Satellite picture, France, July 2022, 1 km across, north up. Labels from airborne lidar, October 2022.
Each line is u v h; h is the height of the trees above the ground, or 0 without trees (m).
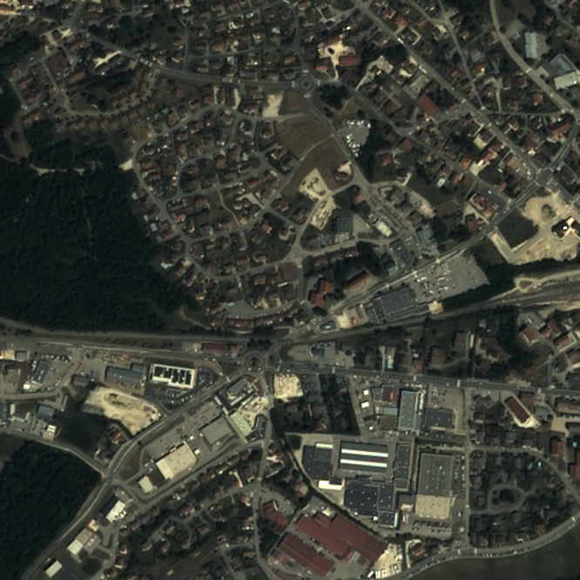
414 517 0
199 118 0
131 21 19
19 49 11
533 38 0
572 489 0
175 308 20
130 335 0
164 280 20
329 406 10
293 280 0
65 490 24
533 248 0
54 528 21
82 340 0
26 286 10
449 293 0
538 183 0
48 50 0
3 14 0
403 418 0
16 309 20
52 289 12
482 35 0
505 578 0
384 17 0
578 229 0
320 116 0
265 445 0
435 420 0
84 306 11
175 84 9
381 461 0
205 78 0
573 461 0
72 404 0
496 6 0
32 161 15
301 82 0
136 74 11
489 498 0
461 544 0
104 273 26
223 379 0
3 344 0
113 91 16
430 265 0
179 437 0
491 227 0
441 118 0
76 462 21
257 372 0
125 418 0
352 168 0
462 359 0
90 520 0
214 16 0
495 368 18
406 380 0
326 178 0
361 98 0
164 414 0
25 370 0
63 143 6
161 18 17
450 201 0
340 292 12
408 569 0
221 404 0
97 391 0
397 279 0
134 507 0
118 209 18
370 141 11
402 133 0
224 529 18
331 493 0
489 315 17
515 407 0
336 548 0
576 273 0
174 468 0
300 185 0
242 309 0
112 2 0
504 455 7
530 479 7
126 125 0
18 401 0
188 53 0
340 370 0
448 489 0
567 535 0
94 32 15
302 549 0
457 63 9
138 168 0
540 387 0
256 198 0
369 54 17
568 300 0
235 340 0
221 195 0
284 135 0
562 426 0
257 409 0
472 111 0
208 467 0
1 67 11
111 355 0
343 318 0
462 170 0
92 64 0
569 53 9
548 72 0
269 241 0
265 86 0
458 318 6
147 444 0
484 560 0
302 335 0
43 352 0
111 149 6
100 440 10
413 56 0
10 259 7
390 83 0
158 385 0
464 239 6
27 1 0
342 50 0
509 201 0
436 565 0
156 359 0
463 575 0
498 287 10
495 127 0
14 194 9
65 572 0
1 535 9
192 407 0
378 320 0
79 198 13
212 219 0
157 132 0
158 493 0
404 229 0
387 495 0
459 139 16
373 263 13
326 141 0
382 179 0
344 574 0
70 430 0
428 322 13
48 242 18
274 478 7
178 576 0
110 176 24
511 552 0
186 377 0
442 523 0
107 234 12
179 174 0
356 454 0
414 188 0
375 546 0
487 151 0
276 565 0
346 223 0
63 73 0
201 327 7
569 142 0
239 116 0
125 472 0
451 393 0
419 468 0
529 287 0
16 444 0
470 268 0
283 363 0
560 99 0
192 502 0
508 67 7
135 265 17
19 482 24
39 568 0
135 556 13
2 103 12
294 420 0
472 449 0
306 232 0
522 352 12
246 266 0
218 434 0
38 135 10
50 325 19
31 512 19
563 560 0
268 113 0
